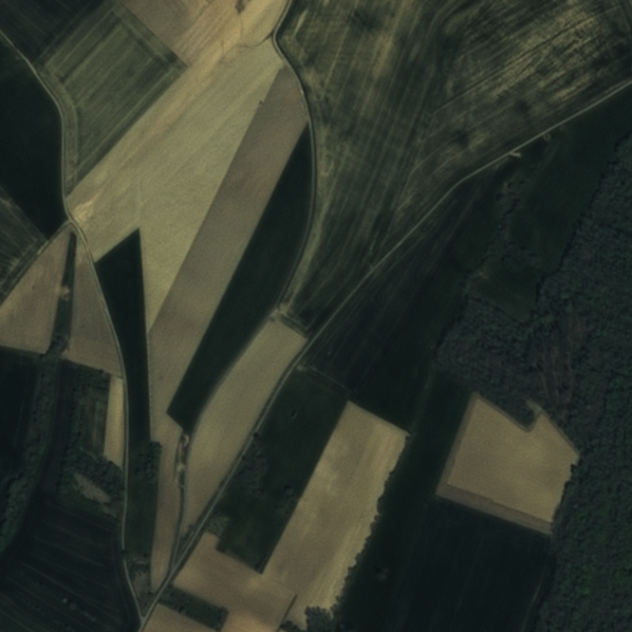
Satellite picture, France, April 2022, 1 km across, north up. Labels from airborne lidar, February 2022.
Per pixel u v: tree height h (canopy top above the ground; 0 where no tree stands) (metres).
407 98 0
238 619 0
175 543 0
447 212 0
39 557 0
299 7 0
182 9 0
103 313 0
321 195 0
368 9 0
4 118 0
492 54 0
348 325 0
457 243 0
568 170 0
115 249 0
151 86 0
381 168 0
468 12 0
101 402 0
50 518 0
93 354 0
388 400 0
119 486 16
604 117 0
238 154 0
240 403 0
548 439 0
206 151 0
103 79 0
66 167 0
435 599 0
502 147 0
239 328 0
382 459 0
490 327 22
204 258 0
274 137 0
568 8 0
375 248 0
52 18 0
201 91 0
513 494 0
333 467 0
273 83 0
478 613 0
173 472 0
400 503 0
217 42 0
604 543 8
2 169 0
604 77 0
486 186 0
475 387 16
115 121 0
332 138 0
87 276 0
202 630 0
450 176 0
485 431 0
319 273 0
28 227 0
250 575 0
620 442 22
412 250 0
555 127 0
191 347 0
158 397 0
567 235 0
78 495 6
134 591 0
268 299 0
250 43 0
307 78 0
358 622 0
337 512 0
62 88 0
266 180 0
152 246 0
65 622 0
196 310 0
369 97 0
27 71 0
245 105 0
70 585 0
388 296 0
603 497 21
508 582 0
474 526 0
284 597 0
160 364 0
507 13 0
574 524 17
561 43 0
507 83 0
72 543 0
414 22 0
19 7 0
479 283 0
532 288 0
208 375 0
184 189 0
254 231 0
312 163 0
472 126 0
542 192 0
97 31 0
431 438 0
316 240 0
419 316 0
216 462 0
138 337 0
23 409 0
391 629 0
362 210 0
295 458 0
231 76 0
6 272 0
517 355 22
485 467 0
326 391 0
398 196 0
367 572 0
